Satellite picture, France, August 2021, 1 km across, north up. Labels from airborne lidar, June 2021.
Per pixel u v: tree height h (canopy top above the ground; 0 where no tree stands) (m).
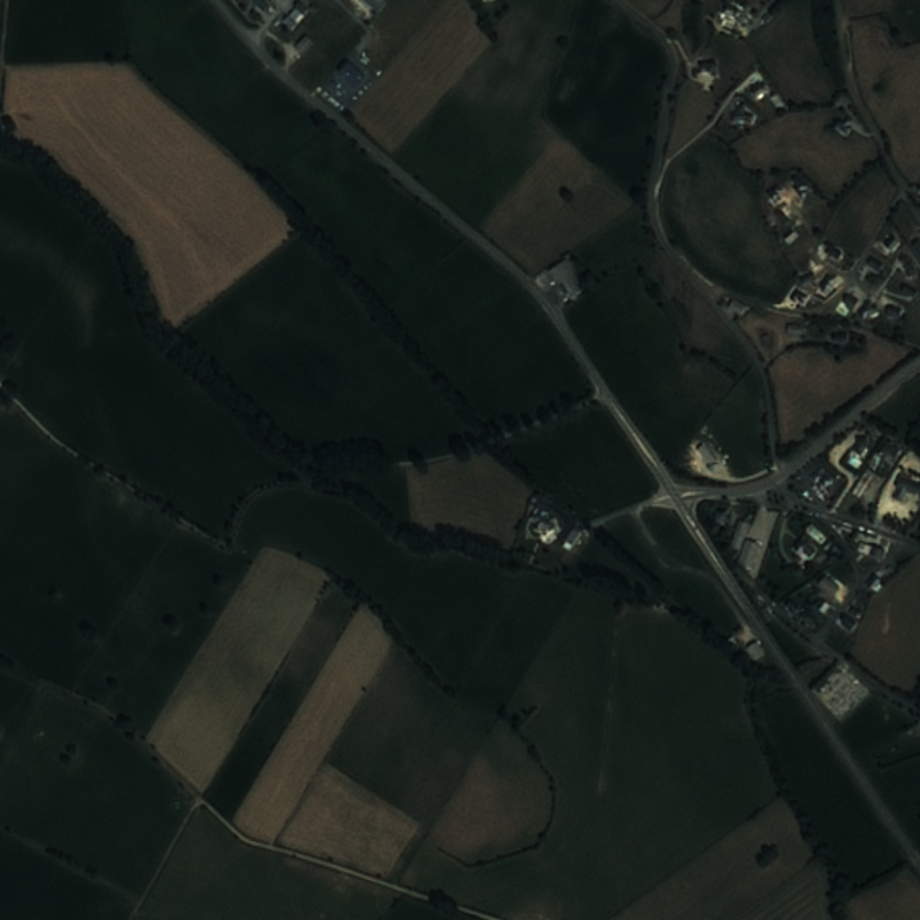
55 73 0
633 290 0
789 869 0
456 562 0
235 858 0
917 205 7
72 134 0
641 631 0
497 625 0
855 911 0
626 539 0
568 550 0
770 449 12
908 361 7
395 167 0
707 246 0
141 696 0
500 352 0
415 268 0
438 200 0
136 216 0
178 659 0
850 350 7
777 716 0
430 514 0
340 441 0
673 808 0
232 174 0
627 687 0
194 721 0
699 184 0
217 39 0
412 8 0
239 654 0
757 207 0
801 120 0
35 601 0
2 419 0
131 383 0
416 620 0
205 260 0
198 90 0
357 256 0
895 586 0
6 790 0
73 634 0
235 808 0
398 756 0
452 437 0
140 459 0
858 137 0
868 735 0
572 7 0
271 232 0
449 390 29
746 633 0
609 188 0
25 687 0
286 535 0
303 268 0
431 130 0
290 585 0
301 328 0
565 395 0
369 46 0
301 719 0
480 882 0
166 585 0
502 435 28
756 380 0
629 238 0
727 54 0
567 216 0
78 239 0
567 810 0
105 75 0
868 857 0
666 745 0
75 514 0
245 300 0
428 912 0
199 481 0
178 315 0
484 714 0
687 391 0
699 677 0
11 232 0
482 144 0
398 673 0
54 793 0
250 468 0
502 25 0
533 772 0
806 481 0
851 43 0
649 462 0
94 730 0
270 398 0
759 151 0
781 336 0
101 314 0
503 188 0
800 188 0
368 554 0
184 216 0
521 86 0
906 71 0
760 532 0
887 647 0
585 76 0
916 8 0
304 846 0
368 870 0
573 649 0
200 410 0
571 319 0
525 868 0
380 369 0
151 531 0
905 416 0
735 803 0
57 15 0
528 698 0
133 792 0
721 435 0
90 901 0
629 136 0
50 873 0
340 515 0
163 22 0
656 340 0
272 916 0
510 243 0
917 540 7
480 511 0
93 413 0
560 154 0
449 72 0
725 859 0
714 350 0
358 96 0
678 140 0
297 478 14
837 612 0
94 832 0
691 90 0
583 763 0
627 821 0
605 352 0
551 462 0
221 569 0
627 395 0
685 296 0
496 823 0
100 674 0
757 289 0
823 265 0
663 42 0
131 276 28
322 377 0
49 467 0
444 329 0
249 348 0
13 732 0
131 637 0
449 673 0
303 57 0
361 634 0
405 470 0
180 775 0
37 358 0
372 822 0
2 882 0
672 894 0
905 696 11
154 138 0
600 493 0
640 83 0
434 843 0
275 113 0
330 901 0
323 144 0
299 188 0
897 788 0
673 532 0
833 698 0
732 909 0
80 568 0
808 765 0
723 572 0
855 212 0
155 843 0
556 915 0
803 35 0
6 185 0
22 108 0
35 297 0
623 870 0
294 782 0
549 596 0
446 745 0
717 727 0
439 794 0
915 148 0
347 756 0
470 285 0
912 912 0
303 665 0
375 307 30
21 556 0
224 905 0
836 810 0
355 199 0
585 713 0
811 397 0
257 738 0
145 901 0
